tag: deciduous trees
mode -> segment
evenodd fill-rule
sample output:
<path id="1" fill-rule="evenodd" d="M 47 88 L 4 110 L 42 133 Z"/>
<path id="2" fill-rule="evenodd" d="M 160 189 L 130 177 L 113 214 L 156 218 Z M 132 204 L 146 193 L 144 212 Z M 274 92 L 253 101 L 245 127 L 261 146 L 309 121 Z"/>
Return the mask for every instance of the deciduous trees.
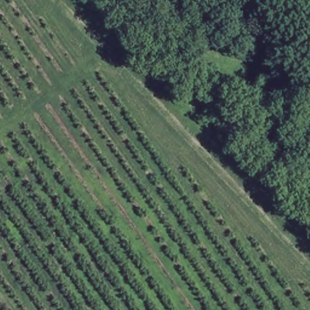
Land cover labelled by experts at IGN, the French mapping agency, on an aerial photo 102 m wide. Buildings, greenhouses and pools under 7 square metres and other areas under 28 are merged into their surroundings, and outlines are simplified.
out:
<path id="1" fill-rule="evenodd" d="M 131 246 L 122 239 L 120 230 L 116 229 L 113 235 L 124 249 L 126 257 L 131 260 L 134 268 L 138 269 L 140 275 L 144 275 L 142 264 L 134 258 Z"/>
<path id="2" fill-rule="evenodd" d="M 243 254 L 236 242 L 232 248 L 239 254 L 275 310 L 283 310 L 277 297 L 266 287 L 260 271 Z"/>
<path id="3" fill-rule="evenodd" d="M 93 252 L 93 243 L 88 243 L 81 231 L 77 230 L 79 225 L 76 218 L 69 217 L 64 203 L 57 202 L 57 196 L 47 190 L 45 194 L 50 197 L 52 206 L 61 212 L 65 224 L 79 237 L 79 242 L 90 254 L 92 262 L 114 288 L 127 310 L 134 310 L 128 302 L 128 294 L 115 282 L 116 277 L 111 277 L 105 270 L 107 262 L 97 258 L 97 254 Z"/>
<path id="4" fill-rule="evenodd" d="M 44 292 L 45 288 L 23 259 L 13 239 L 8 237 L 0 225 L 0 235 L 15 253 L 39 291 Z"/>
<path id="5" fill-rule="evenodd" d="M 154 285 L 153 277 L 150 276 L 147 279 L 148 287 L 156 294 L 165 310 L 173 310 L 171 300 L 163 297 L 160 286 L 156 283 Z"/>
<path id="6" fill-rule="evenodd" d="M 226 293 L 232 293 L 229 282 L 220 274 L 211 256 L 205 248 L 200 248 L 201 257 L 205 259 L 208 268 L 225 287 Z"/>
<path id="7" fill-rule="evenodd" d="M 124 160 L 108 140 L 107 148 L 110 153 L 136 186 L 148 207 L 153 208 L 155 205 L 151 202 L 147 190 L 134 178 L 131 170 L 128 170 Z"/>
<path id="8" fill-rule="evenodd" d="M 92 279 L 91 265 L 85 262 L 82 254 L 76 253 L 76 268 L 82 271 L 109 310 L 115 310 L 109 294 L 105 294 Z"/>
<path id="9" fill-rule="evenodd" d="M 180 228 L 195 245 L 199 242 L 196 234 L 185 224 L 179 209 L 172 205 L 165 191 L 157 188 L 156 194 L 166 203 Z"/>
<path id="10" fill-rule="evenodd" d="M 45 259 L 36 252 L 36 247 L 31 245 L 28 247 L 30 253 L 50 277 L 53 286 L 61 285 L 61 277 L 53 274 Z"/>
<path id="11" fill-rule="evenodd" d="M 222 310 L 229 310 L 225 303 L 220 302 L 217 292 L 197 266 L 195 259 L 186 251 L 182 239 L 174 236 L 170 223 L 161 216 L 159 209 L 156 209 L 154 214 L 166 229 L 168 237 L 177 243 L 183 258 L 193 266 L 203 286 Z"/>
<path id="12" fill-rule="evenodd" d="M 200 304 L 201 310 L 209 310 L 199 289 L 180 266 L 177 274 Z"/>
<path id="13" fill-rule="evenodd" d="M 90 298 L 85 289 L 71 274 L 58 247 L 54 247 L 52 257 L 61 265 L 65 276 L 86 302 Z"/>
<path id="14" fill-rule="evenodd" d="M 145 310 L 156 310 L 138 281 L 128 279 L 126 266 L 110 251 L 108 242 L 103 239 L 103 231 L 87 218 L 85 206 L 79 201 L 79 207 L 75 211 L 101 243 L 103 251 L 119 268 L 126 285 L 130 286 L 142 300 Z"/>
<path id="15" fill-rule="evenodd" d="M 127 193 L 125 186 L 116 178 L 91 139 L 82 133 L 81 137 L 87 143 L 88 149 L 105 167 L 117 190 L 127 202 L 131 202 L 131 195 Z"/>
<path id="16" fill-rule="evenodd" d="M 17 224 L 16 217 L 12 216 L 10 208 L 5 208 L 4 202 L 0 199 L 0 211 L 6 214 L 7 219 L 18 230 L 24 243 L 30 241 L 22 225 Z"/>
<path id="17" fill-rule="evenodd" d="M 166 85 L 168 91 L 161 101 L 190 103 L 194 110 L 185 113 L 190 120 L 195 121 L 201 128 L 209 124 L 216 126 L 225 137 L 224 153 L 234 155 L 242 170 L 247 171 L 254 182 L 262 182 L 260 185 L 269 191 L 271 206 L 275 206 L 270 216 L 285 218 L 286 222 L 295 219 L 305 224 L 306 235 L 310 239 L 310 0 L 71 0 L 75 8 L 87 5 L 96 10 L 98 7 L 105 16 L 105 27 L 116 30 L 122 46 L 128 51 L 126 68 L 130 68 L 132 73 L 143 81 L 147 75 L 153 75 L 155 79 L 162 81 L 170 81 Z M 241 68 L 231 75 L 220 73 L 213 59 L 216 52 L 239 59 L 242 62 Z"/>
<path id="18" fill-rule="evenodd" d="M 36 196 L 33 200 L 34 205 L 63 243 L 64 248 L 70 252 L 71 240 L 61 234 L 54 224 L 56 217 L 48 216 L 45 202 L 41 201 L 40 196 Z"/>
<path id="19" fill-rule="evenodd" d="M 30 229 L 34 230 L 41 241 L 45 241 L 39 226 L 11 190 L 6 194 L 8 199 L 21 211 Z"/>
<path id="20" fill-rule="evenodd" d="M 139 132 L 136 134 L 138 142 L 147 150 L 163 179 L 176 191 L 186 209 L 193 214 L 196 223 L 201 226 L 207 240 L 222 257 L 226 253 L 225 249 L 219 245 L 216 237 L 213 237 L 207 228 L 207 222 L 202 220 L 188 197 L 183 195 L 174 178 L 168 174 Z"/>

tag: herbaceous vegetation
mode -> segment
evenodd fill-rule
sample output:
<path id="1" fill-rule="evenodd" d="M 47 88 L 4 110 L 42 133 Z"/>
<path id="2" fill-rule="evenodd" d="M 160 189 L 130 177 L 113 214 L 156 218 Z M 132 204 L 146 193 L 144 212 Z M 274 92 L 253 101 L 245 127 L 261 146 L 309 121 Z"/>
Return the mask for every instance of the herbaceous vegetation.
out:
<path id="1" fill-rule="evenodd" d="M 239 59 L 216 52 L 213 59 L 220 73 L 231 75 L 241 68 L 242 62 Z"/>
<path id="2" fill-rule="evenodd" d="M 13 239 L 23 259 L 45 288 L 44 292 L 39 291 L 15 253 L 0 235 L 0 310 L 109 310 L 82 271 L 76 268 L 76 253 L 82 254 L 85 262 L 91 265 L 92 279 L 105 294 L 109 294 L 115 310 L 127 310 L 114 288 L 92 262 L 90 254 L 79 242 L 79 237 L 65 224 L 61 212 L 52 206 L 50 197 L 45 194 L 47 190 L 57 196 L 57 202 L 64 203 L 69 217 L 76 218 L 79 225 L 77 230 L 81 231 L 88 243 L 93 243 L 93 252 L 97 254 L 97 258 L 107 262 L 105 270 L 111 277 L 116 277 L 115 282 L 128 294 L 128 302 L 134 310 L 145 310 L 142 300 L 130 286 L 126 285 L 119 268 L 103 251 L 101 243 L 75 211 L 79 207 L 79 201 L 85 206 L 87 218 L 103 231 L 103 239 L 108 242 L 110 251 L 126 266 L 128 279 L 138 281 L 156 310 L 165 310 L 156 294 L 148 287 L 147 279 L 150 276 L 153 277 L 154 285 L 156 283 L 160 286 L 163 297 L 171 300 L 173 310 L 201 310 L 200 304 L 177 274 L 180 266 L 199 289 L 209 310 L 222 310 L 203 286 L 193 266 L 183 258 L 177 243 L 168 237 L 166 229 L 154 214 L 156 209 L 159 209 L 161 216 L 170 223 L 174 236 L 182 239 L 186 251 L 195 259 L 197 266 L 217 292 L 220 302 L 225 303 L 229 310 L 275 310 L 239 254 L 232 248 L 236 242 L 243 254 L 260 271 L 266 287 L 277 297 L 283 310 L 310 310 L 310 239 L 306 235 L 305 224 L 295 219 L 286 222 L 285 218 L 270 216 L 275 206 L 271 206 L 269 191 L 260 185 L 262 182 L 254 182 L 247 171 L 242 170 L 234 155 L 224 153 L 225 137 L 216 126 L 209 124 L 201 128 L 195 121 L 190 120 L 185 113 L 194 110 L 190 103 L 161 101 L 168 91 L 166 85 L 170 81 L 162 81 L 155 79 L 153 75 L 147 75 L 143 81 L 132 73 L 130 68 L 126 68 L 128 51 L 122 46 L 116 30 L 105 27 L 105 16 L 98 7 L 96 10 L 87 5 L 75 8 L 71 0 L 0 0 L 0 199 L 4 202 L 5 208 L 10 208 L 12 216 L 16 217 L 17 224 L 22 225 L 30 241 L 24 243 L 18 230 L 7 219 L 6 214 L 0 211 L 0 225 L 8 237 Z M 57 111 L 76 142 L 84 149 L 91 166 L 86 165 L 79 153 L 76 153 L 62 128 L 46 109 L 46 104 L 51 104 Z M 62 155 L 53 148 L 51 140 L 34 119 L 34 113 L 38 113 L 54 133 L 65 153 L 101 200 L 102 209 L 94 203 Z M 176 191 L 163 179 L 147 150 L 138 142 L 136 134 L 139 132 L 168 174 L 174 178 L 183 195 L 188 197 L 202 220 L 207 222 L 207 228 L 213 237 L 216 237 L 219 245 L 225 249 L 226 253 L 222 257 L 207 240 L 201 226 L 196 223 L 193 214 L 186 209 Z M 117 190 L 105 167 L 88 149 L 87 143 L 81 137 L 82 133 L 91 139 L 116 178 L 125 186 L 127 193 L 131 195 L 131 202 L 127 202 Z M 131 170 L 134 178 L 147 190 L 151 202 L 155 205 L 153 208 L 148 207 L 136 186 L 110 153 L 107 148 L 108 140 L 124 160 L 128 170 Z M 172 205 L 179 209 L 185 224 L 196 234 L 199 242 L 195 245 L 180 228 L 166 203 L 156 194 L 157 188 L 165 191 Z M 34 230 L 30 229 L 21 211 L 8 199 L 6 194 L 11 190 L 39 226 L 45 241 L 41 241 Z M 48 216 L 56 217 L 54 224 L 61 234 L 71 240 L 70 252 L 64 248 L 63 243 L 34 205 L 33 200 L 36 196 L 40 196 L 41 201 L 45 202 Z M 140 275 L 138 269 L 134 268 L 131 260 L 126 257 L 124 249 L 113 235 L 116 229 L 120 230 L 122 239 L 131 246 L 134 258 L 142 264 L 144 275 Z M 36 247 L 36 252 L 45 259 L 53 274 L 61 277 L 61 285 L 53 286 L 50 277 L 30 253 L 28 247 L 31 245 Z M 52 257 L 54 247 L 58 247 L 71 274 L 85 289 L 90 298 L 86 302 L 65 276 L 61 265 Z M 205 259 L 201 257 L 200 248 L 205 248 L 211 256 L 220 274 L 229 282 L 232 293 L 226 293 L 225 287 L 208 268 Z"/>

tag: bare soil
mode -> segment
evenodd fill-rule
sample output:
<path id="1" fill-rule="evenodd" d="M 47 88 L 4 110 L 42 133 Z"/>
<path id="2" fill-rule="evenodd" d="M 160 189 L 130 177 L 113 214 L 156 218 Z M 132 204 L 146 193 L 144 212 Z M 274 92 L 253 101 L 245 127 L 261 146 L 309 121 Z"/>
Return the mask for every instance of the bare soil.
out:
<path id="1" fill-rule="evenodd" d="M 65 153 L 54 133 L 38 113 L 34 113 L 34 119 L 51 140 L 53 148 L 62 155 L 94 203 L 102 209 L 101 200 Z"/>
<path id="2" fill-rule="evenodd" d="M 76 153 L 79 153 L 86 165 L 91 166 L 84 149 L 76 142 L 57 111 L 51 104 L 46 104 L 46 109 L 62 128 Z"/>

